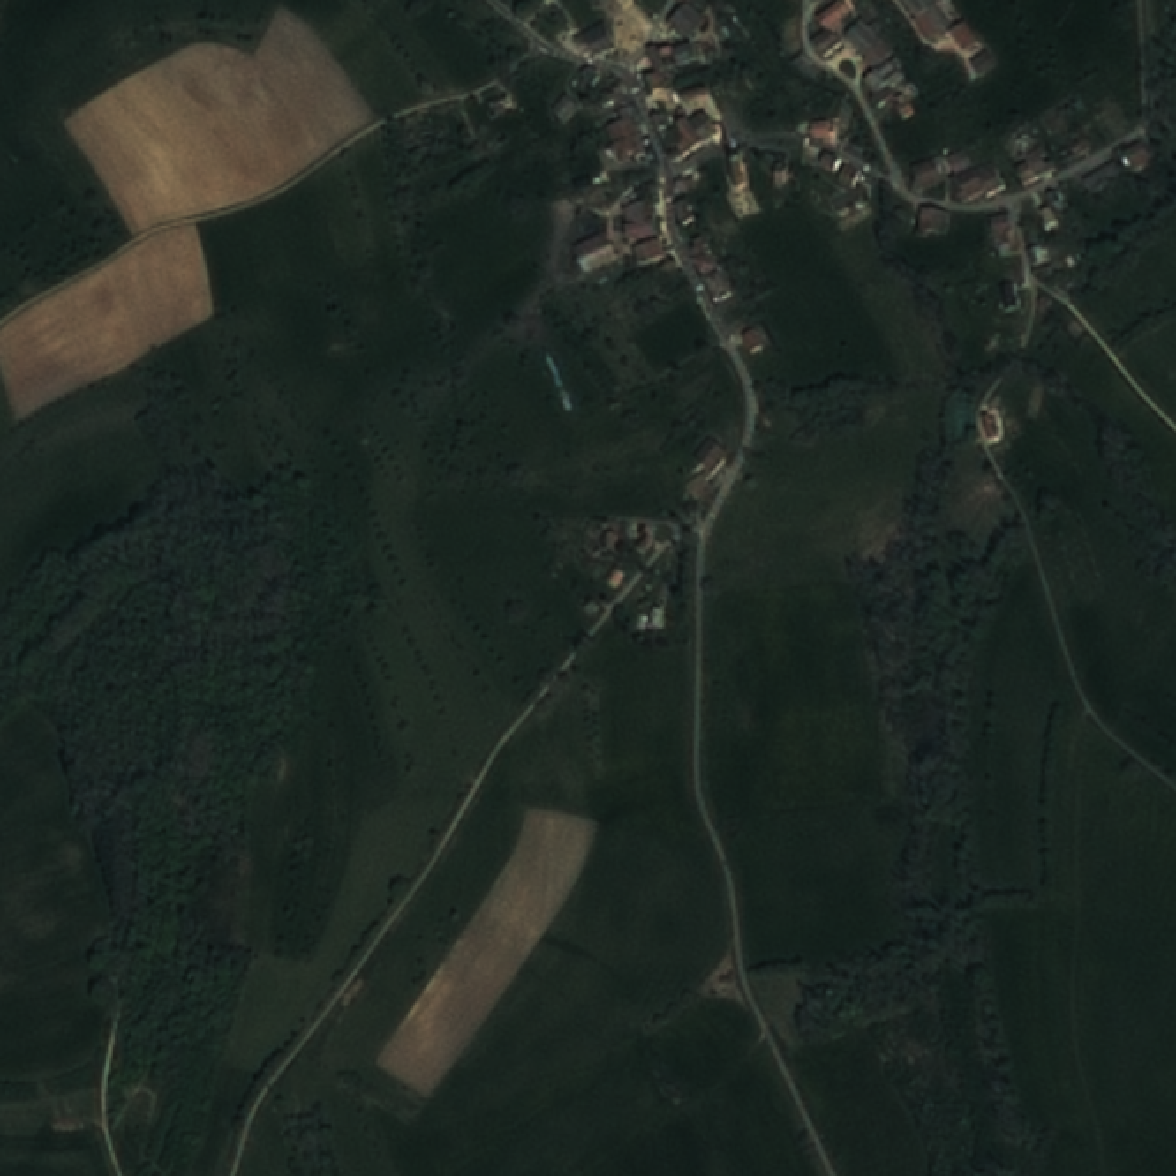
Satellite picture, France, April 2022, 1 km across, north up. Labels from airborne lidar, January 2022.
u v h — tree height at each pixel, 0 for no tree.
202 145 0
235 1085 0
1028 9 0
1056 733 6
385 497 0
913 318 0
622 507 0
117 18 0
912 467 0
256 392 0
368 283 0
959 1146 12
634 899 0
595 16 0
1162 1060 0
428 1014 0
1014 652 0
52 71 0
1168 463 0
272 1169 0
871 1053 0
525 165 0
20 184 0
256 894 0
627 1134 0
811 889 0
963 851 13
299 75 0
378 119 0
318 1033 0
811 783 0
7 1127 0
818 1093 0
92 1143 0
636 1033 0
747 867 0
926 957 7
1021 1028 0
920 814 6
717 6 12
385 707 0
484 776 0
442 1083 0
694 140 0
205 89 0
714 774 0
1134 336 5
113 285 0
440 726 0
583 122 0
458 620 0
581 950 0
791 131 0
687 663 0
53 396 0
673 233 0
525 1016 0
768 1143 0
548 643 0
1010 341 0
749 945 0
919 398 0
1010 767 0
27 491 0
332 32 0
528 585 0
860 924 0
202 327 0
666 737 0
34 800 0
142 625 10
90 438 0
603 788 0
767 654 0
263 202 0
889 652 21
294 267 0
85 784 14
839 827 0
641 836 0
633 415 10
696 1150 0
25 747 0
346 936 0
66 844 0
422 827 0
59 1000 0
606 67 0
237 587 25
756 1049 0
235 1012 6
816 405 13
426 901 0
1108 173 0
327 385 0
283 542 14
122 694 18
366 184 0
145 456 0
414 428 0
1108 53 0
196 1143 10
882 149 0
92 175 0
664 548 0
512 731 0
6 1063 0
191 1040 9
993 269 0
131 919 18
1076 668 0
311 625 8
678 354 0
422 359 0
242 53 0
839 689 0
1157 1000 0
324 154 0
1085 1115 0
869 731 0
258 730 18
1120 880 0
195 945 20
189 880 20
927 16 0
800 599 0
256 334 0
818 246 0
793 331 0
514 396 0
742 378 0
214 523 13
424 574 0
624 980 0
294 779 0
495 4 0
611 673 0
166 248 0
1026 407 0
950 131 0
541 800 0
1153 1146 0
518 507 0
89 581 20
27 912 0
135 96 0
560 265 0
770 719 0
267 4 0
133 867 19
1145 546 7
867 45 0
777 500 0
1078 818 0
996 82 0
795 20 0
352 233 0
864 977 28
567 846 0
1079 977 0
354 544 7
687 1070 0
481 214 0
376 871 0
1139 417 0
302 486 12
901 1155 0
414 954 0
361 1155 0
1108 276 16
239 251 0
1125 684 0
